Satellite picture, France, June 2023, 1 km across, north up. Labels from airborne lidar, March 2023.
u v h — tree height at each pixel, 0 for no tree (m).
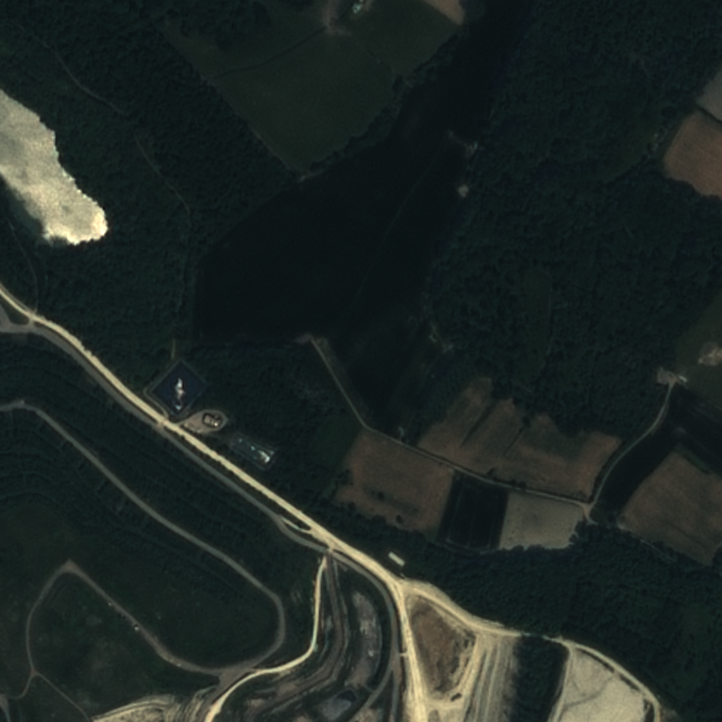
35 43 11
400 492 0
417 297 0
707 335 0
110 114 13
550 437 0
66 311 10
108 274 19
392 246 0
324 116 0
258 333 0
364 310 0
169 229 11
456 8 0
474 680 0
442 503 0
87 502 6
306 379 8
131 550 0
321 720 0
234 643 0
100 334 10
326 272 0
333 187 0
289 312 0
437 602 0
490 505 0
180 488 6
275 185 11
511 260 20
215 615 0
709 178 0
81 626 0
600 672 0
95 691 0
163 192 10
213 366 15
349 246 0
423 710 0
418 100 0
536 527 0
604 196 15
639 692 0
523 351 22
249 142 16
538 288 0
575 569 23
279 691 0
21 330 0
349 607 0
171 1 15
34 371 11
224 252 0
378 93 0
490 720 0
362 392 0
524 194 27
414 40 0
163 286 12
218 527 6
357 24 0
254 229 0
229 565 6
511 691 0
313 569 0
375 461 0
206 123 16
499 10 0
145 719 0
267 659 0
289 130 0
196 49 0
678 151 0
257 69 0
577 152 30
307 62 0
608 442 0
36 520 0
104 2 20
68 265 6
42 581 0
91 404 10
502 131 23
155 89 16
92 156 9
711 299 13
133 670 0
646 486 0
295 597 0
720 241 30
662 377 0
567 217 22
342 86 0
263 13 21
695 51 23
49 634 0
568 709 0
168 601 0
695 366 0
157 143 12
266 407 16
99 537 0
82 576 0
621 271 27
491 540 0
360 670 0
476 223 17
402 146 0
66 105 14
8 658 0
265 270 0
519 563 22
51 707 0
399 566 0
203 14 25
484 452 0
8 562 0
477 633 0
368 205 0
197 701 0
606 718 0
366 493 0
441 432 0
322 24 0
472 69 0
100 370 0
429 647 0
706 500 0
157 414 0
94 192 9
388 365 0
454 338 19
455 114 0
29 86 16
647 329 21
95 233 0
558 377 21
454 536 0
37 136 0
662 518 0
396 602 0
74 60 11
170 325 11
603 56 26
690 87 23
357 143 14
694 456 0
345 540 0
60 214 0
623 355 6
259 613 0
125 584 0
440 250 18
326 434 0
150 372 0
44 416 7
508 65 23
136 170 13
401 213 0
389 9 0
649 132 0
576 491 0
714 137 0
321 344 0
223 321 0
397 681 0
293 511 0
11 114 0
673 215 28
